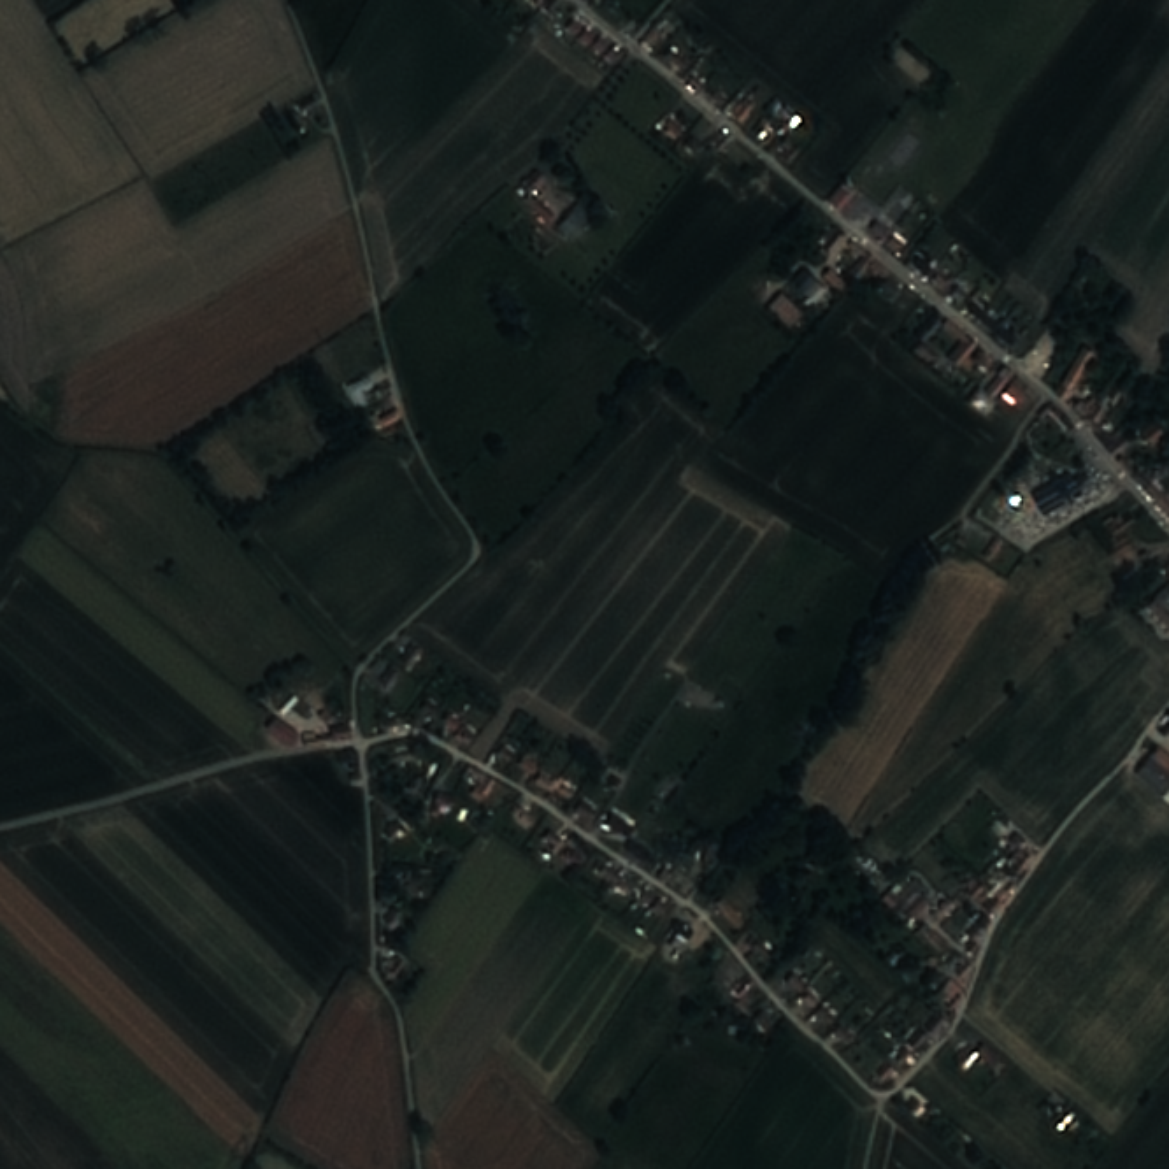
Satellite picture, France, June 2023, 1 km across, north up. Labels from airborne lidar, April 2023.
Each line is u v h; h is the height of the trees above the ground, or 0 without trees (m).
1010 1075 0
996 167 0
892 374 0
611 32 0
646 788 0
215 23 0
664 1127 0
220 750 0
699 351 0
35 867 0
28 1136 0
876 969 0
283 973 0
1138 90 0
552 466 0
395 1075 0
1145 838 0
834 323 0
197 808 0
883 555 0
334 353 0
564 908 0
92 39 0
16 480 0
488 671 0
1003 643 0
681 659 0
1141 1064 0
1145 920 0
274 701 0
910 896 0
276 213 0
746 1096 0
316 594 0
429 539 0
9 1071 0
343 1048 0
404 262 0
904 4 0
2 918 0
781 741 0
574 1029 0
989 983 0
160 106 0
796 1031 0
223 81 0
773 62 0
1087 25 0
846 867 15
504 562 0
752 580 0
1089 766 0
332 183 0
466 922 0
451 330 0
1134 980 0
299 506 0
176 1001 0
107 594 0
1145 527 0
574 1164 0
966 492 0
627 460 0
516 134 0
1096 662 0
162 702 0
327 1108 0
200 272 0
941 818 0
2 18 0
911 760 0
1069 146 0
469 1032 0
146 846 0
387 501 0
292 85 0
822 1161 0
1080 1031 0
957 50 0
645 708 0
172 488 0
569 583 0
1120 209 0
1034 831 0
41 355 0
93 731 0
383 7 0
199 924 0
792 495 0
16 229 0
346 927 0
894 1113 0
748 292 0
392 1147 0
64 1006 0
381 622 0
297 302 0
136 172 0
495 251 0
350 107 0
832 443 0
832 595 0
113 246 0
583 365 0
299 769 0
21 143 0
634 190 0
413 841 0
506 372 0
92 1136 0
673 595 0
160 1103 0
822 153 0
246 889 0
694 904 0
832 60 0
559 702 0
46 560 0
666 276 0
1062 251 0
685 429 0
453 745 0
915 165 0
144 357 0
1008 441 0
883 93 0
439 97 0
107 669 0
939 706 0
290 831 0
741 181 0
